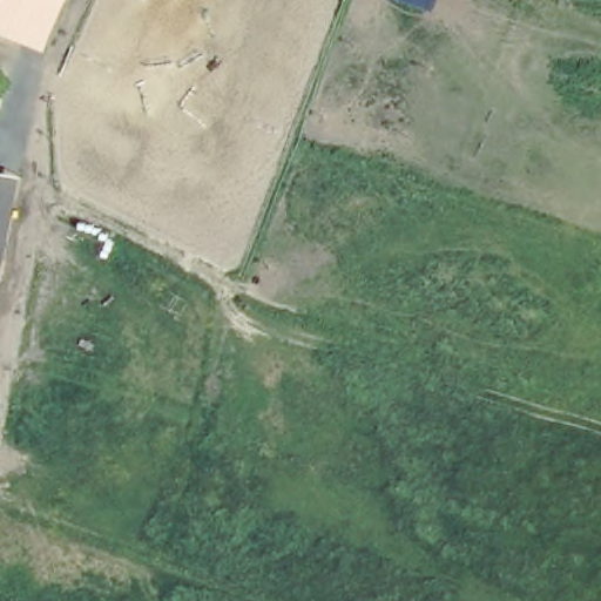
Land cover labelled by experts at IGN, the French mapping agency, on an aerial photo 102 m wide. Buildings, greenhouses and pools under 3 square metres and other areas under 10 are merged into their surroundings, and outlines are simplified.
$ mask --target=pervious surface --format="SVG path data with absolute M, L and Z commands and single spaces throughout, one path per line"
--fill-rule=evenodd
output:
M 31 455 L 16 451 L 12 444 L 5 444 L 0 439 L 0 479 L 12 472 L 23 472 Z
M 28 129 L 26 157 L 21 160 L 21 167 L 16 171 L 21 176 L 21 185 L 14 185 L 7 200 L 12 204 L 19 204 L 19 211 L 9 211 L 9 216 L 0 218 L 0 408 L 9 401 L 12 385 L 19 378 L 19 343 L 26 324 L 26 298 L 33 268 L 35 263 L 66 261 L 66 256 L 70 254 L 66 249 L 68 244 L 63 242 L 68 223 L 61 223 L 59 216 L 75 216 L 77 223 L 103 230 L 110 239 L 127 237 L 134 244 L 146 247 L 148 251 L 171 258 L 185 272 L 197 275 L 216 291 L 216 301 L 223 310 L 223 317 L 237 333 L 242 333 L 244 340 L 249 340 L 256 333 L 258 326 L 254 326 L 254 319 L 235 305 L 235 296 L 251 296 L 268 305 L 282 286 L 293 291 L 296 282 L 315 275 L 324 265 L 336 261 L 322 244 L 310 242 L 298 251 L 284 254 L 277 263 L 263 258 L 256 268 L 256 275 L 261 279 L 258 284 L 232 282 L 228 277 L 228 270 L 239 265 L 254 239 L 254 230 L 263 202 L 268 197 L 270 183 L 277 176 L 284 148 L 293 139 L 296 110 L 301 106 L 312 68 L 317 63 L 317 54 L 326 38 L 336 5 L 340 0 L 59 0 L 61 12 L 56 16 L 56 26 L 47 45 L 38 52 L 42 61 L 42 77 L 35 92 L 35 115 Z

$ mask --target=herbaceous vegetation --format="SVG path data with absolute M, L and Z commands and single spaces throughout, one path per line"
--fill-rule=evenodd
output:
M 12 385 L 9 401 L 0 408 L 0 439 L 5 444 L 12 444 L 16 451 L 31 455 L 23 472 L 12 472 L 0 479 L 0 601 L 601 601 L 601 0 L 340 0 L 336 5 L 326 38 L 317 54 L 317 63 L 312 68 L 301 106 L 296 110 L 293 139 L 284 148 L 277 176 L 270 183 L 268 197 L 263 202 L 254 230 L 254 239 L 239 265 L 228 270 L 228 277 L 232 282 L 258 284 L 261 279 L 256 275 L 256 268 L 263 258 L 277 263 L 284 254 L 298 251 L 310 242 L 322 244 L 336 261 L 324 265 L 315 275 L 296 282 L 293 291 L 282 286 L 268 305 L 251 296 L 235 296 L 235 305 L 254 319 L 254 326 L 258 326 L 256 333 L 249 340 L 244 340 L 242 333 L 237 333 L 223 317 L 223 310 L 216 301 L 216 291 L 197 275 L 185 272 L 171 258 L 148 251 L 146 247 L 134 244 L 127 237 L 110 239 L 103 230 L 77 223 L 75 216 L 59 216 L 61 223 L 68 223 L 63 242 L 68 244 L 66 249 L 70 254 L 66 256 L 66 261 L 35 263 L 33 268 L 26 298 L 26 324 L 19 343 L 19 378 Z

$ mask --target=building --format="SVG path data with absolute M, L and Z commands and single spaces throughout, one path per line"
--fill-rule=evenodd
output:
M 59 0 L 0 0 L 0 38 L 38 52 L 47 45 L 56 26 L 56 16 L 61 12 Z
M 0 218 L 9 216 L 9 211 L 19 211 L 19 204 L 12 204 L 7 200 L 14 185 L 21 185 L 21 176 L 16 171 L 0 169 Z

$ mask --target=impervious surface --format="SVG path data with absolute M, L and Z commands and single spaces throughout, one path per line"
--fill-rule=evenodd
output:
M 35 115 L 35 92 L 42 77 L 42 61 L 38 52 L 0 38 L 0 169 L 16 171 L 21 167 L 21 160 L 26 157 L 28 129 Z

